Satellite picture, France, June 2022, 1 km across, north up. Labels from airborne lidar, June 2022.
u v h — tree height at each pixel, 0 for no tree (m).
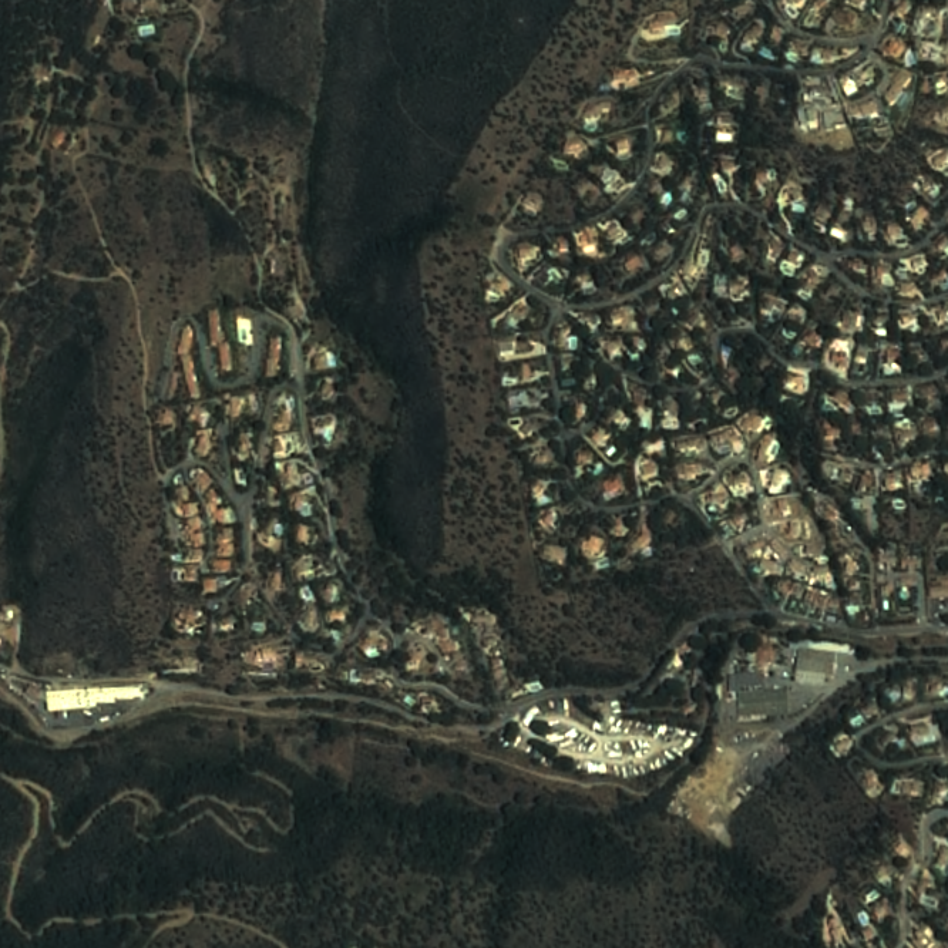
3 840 9
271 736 9
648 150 6
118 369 6
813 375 8
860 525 9
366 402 5
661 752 0
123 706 0
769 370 6
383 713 10
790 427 6
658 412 8
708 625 11
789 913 0
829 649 0
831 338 13
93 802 7
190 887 9
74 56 8
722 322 6
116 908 14
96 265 6
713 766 0
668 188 9
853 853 6
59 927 9
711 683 18
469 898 8
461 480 7
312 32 0
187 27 0
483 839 6
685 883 0
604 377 10
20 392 8
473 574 9
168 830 9
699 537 6
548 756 10
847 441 10
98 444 6
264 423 11
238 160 6
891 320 9
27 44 9
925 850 0
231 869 7
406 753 0
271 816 7
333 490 0
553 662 8
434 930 6
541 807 11
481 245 0
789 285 11
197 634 5
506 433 8
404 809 11
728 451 0
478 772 11
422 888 0
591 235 0
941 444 8
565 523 8
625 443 10
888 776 6
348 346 9
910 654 13
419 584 8
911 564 0
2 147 8
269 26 0
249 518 0
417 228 9
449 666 0
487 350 0
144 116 7
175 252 0
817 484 14
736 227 10
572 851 8
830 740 8
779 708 0
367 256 7
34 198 6
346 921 8
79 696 0
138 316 0
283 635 9
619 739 0
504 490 6
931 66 9
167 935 0
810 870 6
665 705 15
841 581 10
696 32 6
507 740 9
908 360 12
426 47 6
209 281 0
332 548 14
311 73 0
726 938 7
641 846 8
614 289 10
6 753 8
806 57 8
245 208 6
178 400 9
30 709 0
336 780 7
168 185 0
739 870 11
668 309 12
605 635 9
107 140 7
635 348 11
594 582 5
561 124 6
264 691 9
